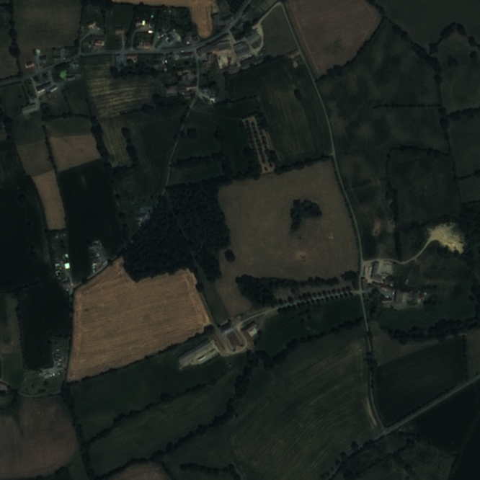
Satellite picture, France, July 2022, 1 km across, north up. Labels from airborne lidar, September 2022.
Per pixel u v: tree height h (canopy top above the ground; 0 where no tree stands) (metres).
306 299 11
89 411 0
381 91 0
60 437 0
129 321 0
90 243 13
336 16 0
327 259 0
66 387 13
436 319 0
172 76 0
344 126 0
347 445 0
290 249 0
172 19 8
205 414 0
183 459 0
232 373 0
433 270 0
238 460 0
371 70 0
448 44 0
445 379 0
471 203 6
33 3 0
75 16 0
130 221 0
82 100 0
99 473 0
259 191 0
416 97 0
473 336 0
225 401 0
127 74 13
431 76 0
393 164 0
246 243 0
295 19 0
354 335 0
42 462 0
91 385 0
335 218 0
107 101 0
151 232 21
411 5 0
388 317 0
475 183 0
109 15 0
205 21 0
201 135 0
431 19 0
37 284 7
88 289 0
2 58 0
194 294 0
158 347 0
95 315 0
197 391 10
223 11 0
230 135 0
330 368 0
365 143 0
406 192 0
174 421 0
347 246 0
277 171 10
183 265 18
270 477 0
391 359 0
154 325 0
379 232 0
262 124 16
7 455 0
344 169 0
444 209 0
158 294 0
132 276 12
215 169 0
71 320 8
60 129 0
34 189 8
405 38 13
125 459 0
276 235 0
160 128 0
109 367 0
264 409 0
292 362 0
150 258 23
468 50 0
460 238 0
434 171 0
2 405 0
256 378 0
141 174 0
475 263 17
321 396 0
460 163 0
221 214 21
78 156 0
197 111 0
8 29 0
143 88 0
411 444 15
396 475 0
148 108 15
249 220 0
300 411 0
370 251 0
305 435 0
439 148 0
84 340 0
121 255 10
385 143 0
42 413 0
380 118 0
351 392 0
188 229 13
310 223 0
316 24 0
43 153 0
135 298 0
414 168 0
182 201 23
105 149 17
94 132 18
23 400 0
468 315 0
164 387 0
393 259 0
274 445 0
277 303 13
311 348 0
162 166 0
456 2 0
